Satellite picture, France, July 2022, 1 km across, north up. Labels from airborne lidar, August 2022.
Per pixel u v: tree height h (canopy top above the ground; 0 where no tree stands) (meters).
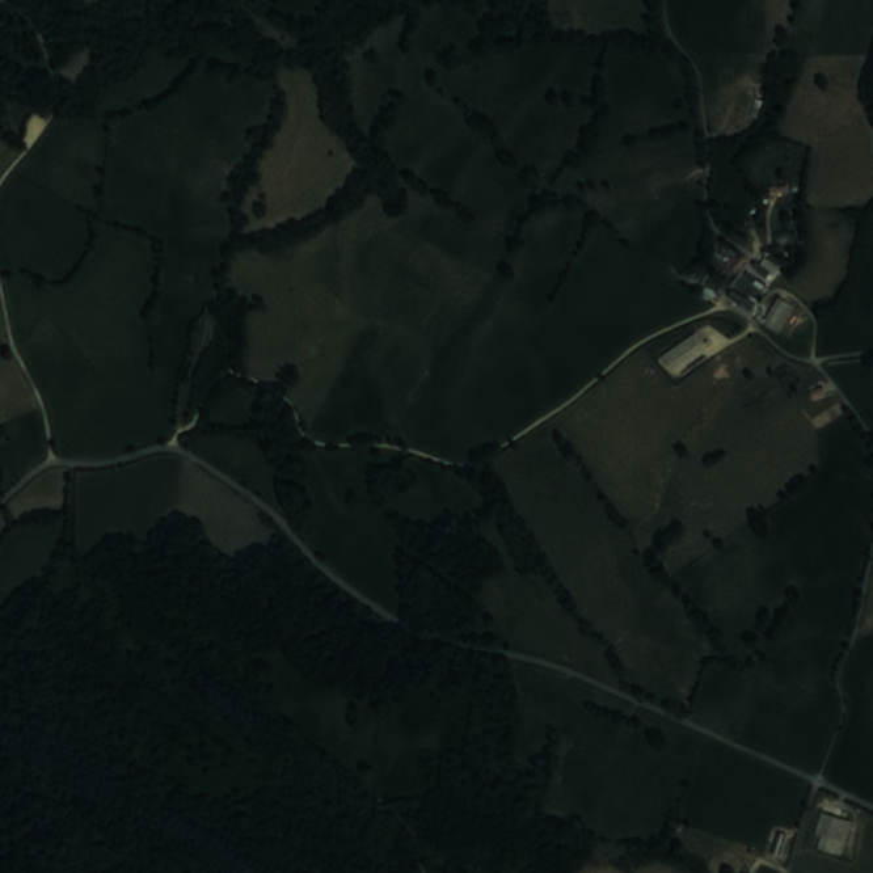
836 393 0
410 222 0
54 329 0
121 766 20
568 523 0
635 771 0
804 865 0
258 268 0
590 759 0
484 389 0
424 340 0
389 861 8
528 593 0
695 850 0
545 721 0
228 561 14
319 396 0
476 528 19
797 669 0
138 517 0
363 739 0
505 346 0
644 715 0
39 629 16
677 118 0
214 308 10
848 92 0
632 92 0
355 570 0
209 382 12
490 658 11
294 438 25
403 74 0
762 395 0
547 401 0
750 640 19
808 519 0
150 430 0
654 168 0
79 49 15
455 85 0
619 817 0
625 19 0
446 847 9
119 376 0
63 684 10
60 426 0
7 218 0
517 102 0
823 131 0
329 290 0
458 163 0
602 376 10
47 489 0
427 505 0
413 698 0
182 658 5
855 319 0
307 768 9
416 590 26
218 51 0
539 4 12
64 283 7
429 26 0
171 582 20
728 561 0
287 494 24
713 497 0
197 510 0
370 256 0
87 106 20
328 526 0
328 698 0
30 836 19
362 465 0
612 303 0
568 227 0
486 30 20
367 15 13
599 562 0
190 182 0
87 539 0
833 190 0
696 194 0
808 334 0
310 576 13
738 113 0
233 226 11
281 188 0
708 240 15
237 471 0
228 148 0
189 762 11
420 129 0
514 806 16
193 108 0
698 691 8
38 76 21
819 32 0
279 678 0
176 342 0
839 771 0
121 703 9
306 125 0
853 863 0
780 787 0
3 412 0
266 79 14
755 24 0
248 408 0
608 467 0
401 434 0
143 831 15
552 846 13
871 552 6
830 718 0
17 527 7
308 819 9
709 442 0
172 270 0
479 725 15
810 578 0
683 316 0
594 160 0
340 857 13
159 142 0
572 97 16
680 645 0
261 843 15
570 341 0
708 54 0
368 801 13
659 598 0
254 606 26
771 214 0
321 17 14
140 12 16
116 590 7
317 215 10
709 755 0
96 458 0
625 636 0
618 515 15
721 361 0
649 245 0
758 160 0
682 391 0
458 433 0
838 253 0
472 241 0
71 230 0
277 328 0
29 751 22
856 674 0
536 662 0
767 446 0
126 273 0
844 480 0
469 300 0
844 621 0
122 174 0
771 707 0
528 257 0
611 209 0
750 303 0
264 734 28
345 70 15
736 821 0
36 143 0
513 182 0
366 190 21
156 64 0
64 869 8
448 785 10
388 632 20
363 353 0
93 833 12
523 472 0
